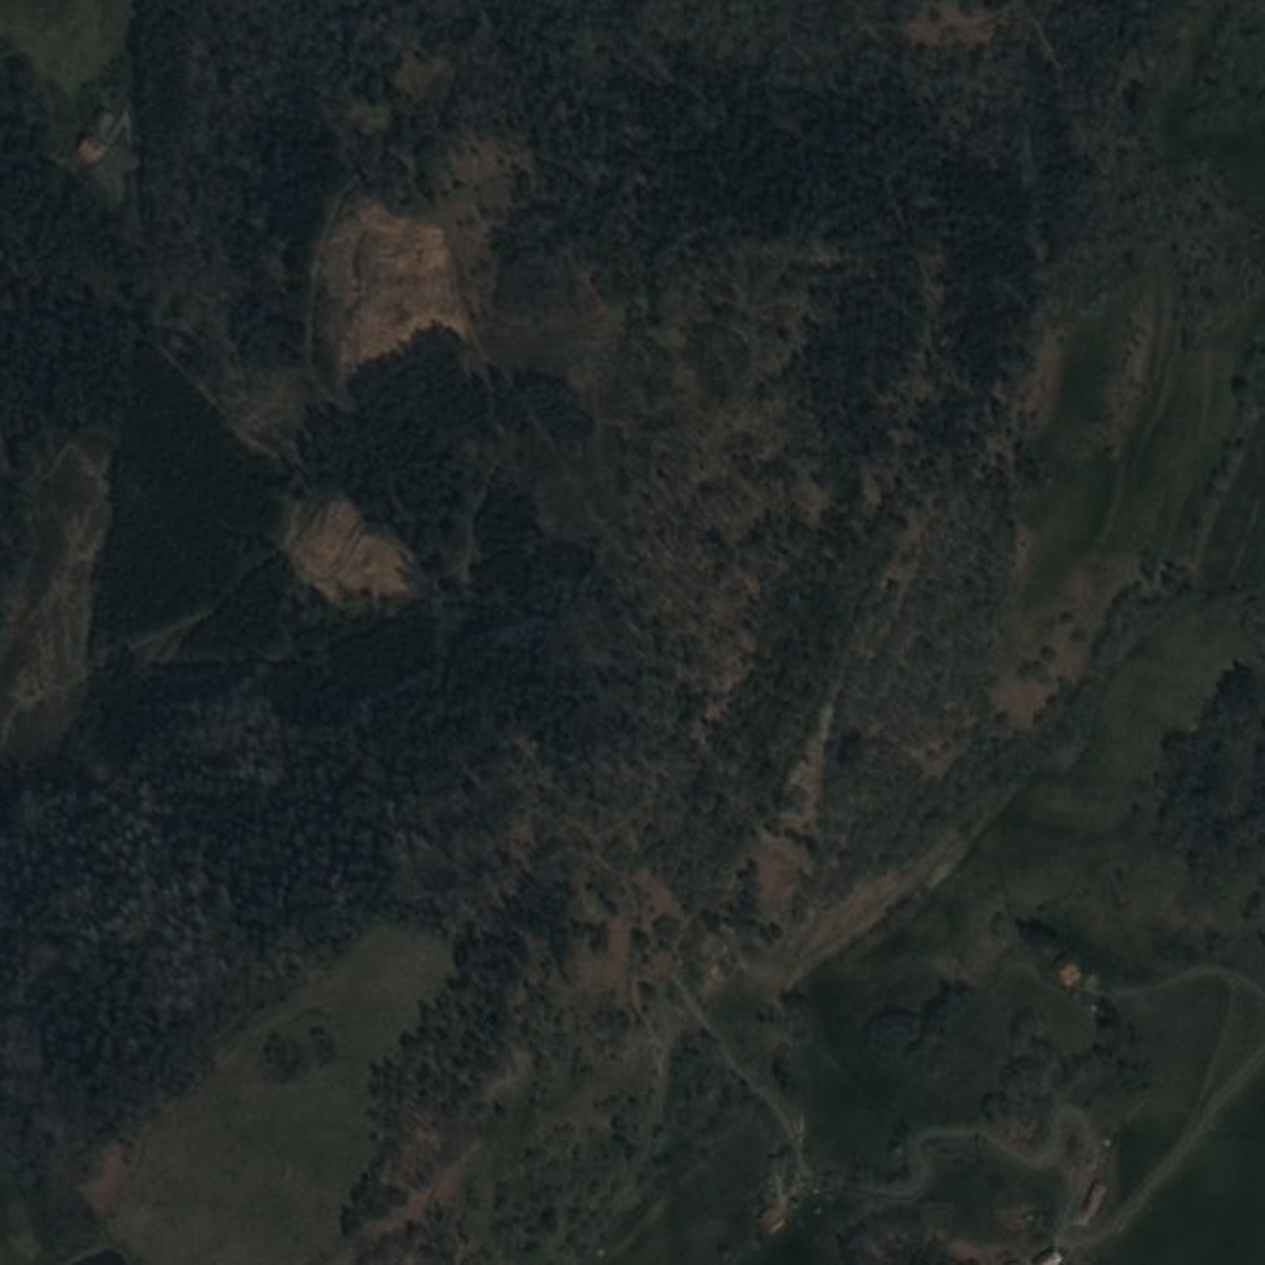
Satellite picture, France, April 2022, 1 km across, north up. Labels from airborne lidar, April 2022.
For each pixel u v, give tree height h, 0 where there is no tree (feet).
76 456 0
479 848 71
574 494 0
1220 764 67
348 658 39
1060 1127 0
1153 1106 0
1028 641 0
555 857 52
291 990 20
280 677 37
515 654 68
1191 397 0
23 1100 93
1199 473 0
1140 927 0
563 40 78
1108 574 0
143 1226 0
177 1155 0
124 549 44
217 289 69
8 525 89
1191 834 71
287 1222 0
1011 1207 0
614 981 0
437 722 56
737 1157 0
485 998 65
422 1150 87
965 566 77
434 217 0
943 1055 0
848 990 0
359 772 42
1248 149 0
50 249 93
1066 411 0
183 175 68
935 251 26
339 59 31
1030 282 66
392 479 94
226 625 38
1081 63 66
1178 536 0
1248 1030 0
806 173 71
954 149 59
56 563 0
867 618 61
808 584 29
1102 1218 0
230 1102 0
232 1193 0
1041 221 47
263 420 0
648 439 82
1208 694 0
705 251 48
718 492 44
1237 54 54
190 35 78
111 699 21
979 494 68
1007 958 0
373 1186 61
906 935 0
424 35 41
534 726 78
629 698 72
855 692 60
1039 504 0
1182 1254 0
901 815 20
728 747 51
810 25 65
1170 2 117
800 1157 42
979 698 48
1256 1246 0
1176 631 0
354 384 0
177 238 56
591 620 87
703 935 59
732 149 60
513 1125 0
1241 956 0
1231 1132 0
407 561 0
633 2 36
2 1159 54
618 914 75
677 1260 0
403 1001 0
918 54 20
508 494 25
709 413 70
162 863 73
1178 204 36
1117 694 0
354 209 0
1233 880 0
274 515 41
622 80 24
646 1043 0
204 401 36
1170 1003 0
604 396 0
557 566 23
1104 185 76
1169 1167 0
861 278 63
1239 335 0
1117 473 0
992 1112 25
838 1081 0
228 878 93
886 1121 0
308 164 81
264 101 51
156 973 62
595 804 73
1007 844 0
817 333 70
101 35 0
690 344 26
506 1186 22
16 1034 97
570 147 29
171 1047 28
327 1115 0
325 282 0
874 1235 85
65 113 64
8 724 0
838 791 73
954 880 0
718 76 31
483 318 20
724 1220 0
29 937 53
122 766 25
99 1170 48
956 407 41
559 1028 50
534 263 43
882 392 40
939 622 76
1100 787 0
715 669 80
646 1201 0
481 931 72
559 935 54
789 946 0
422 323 0
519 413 89
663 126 49
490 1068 54
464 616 49
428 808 26
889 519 21
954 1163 0
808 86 61
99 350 101
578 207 56
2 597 80
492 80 34
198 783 81
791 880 0
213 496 42
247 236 72
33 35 0
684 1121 47
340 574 0
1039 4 63
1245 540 0
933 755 54
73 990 43
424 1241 82
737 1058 0
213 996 29
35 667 0
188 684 30
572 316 43
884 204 54
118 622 35
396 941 0
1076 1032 0
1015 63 69
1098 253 55
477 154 29
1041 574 0
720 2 47
